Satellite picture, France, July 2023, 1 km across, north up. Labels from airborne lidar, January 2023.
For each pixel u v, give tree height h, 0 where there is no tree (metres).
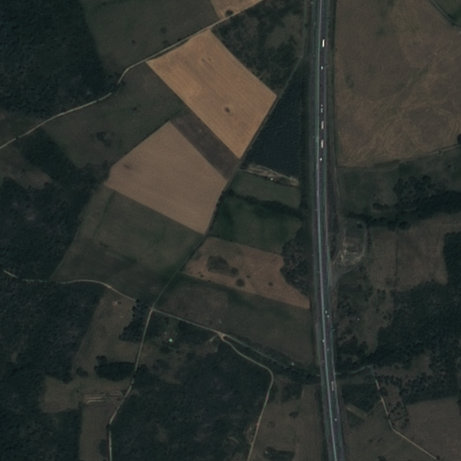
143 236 0
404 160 0
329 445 0
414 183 10
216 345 0
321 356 0
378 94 0
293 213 7
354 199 0
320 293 0
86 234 0
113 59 0
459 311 14
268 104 0
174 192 0
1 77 8
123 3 0
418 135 0
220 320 0
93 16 0
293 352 0
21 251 8
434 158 0
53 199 6
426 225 0
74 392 0
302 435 0
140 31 0
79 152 0
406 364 14
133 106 0
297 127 8
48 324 8
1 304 6
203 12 0
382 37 0
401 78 0
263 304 0
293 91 10
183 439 8
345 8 0
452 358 11
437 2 0
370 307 0
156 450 6
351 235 0
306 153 9
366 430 0
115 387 0
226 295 0
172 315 0
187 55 0
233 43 0
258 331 0
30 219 0
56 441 7
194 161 0
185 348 0
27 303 5
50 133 0
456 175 0
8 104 10
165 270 0
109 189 0
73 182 7
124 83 7
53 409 0
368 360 19
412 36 0
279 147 8
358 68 0
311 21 0
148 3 0
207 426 0
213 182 0
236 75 0
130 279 0
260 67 6
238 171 0
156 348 0
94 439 0
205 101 0
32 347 13
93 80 8
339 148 0
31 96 7
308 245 0
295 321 0
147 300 0
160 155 0
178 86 0
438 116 0
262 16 0
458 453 0
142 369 10
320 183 0
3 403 12
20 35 13
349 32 0
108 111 0
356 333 0
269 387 8
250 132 0
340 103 0
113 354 0
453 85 0
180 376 0
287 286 0
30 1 14
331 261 0
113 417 0
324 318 0
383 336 10
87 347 0
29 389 12
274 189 0
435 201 16
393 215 0
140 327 14
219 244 0
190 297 0
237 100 0
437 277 0
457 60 0
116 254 0
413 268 0
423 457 0
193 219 0
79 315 6
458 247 12
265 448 0
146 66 0
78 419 9
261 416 0
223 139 0
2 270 9
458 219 0
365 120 0
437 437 0
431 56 0
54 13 8
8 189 8
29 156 6
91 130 0
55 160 10
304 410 0
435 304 9
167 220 0
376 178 0
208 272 0
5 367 10
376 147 0
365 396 8
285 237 0
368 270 0
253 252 0
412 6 0
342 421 0
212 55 0
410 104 0
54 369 10
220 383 0
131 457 7
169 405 7
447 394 14
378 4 0
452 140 0
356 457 0
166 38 0
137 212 0
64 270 0
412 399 5
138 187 0
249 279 0
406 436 0
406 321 8
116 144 0
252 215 0
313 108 0
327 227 0
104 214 0
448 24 0
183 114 0
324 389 0
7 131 0
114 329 0
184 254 0
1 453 18
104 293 0
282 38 0
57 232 10
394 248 0
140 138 0
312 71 0
